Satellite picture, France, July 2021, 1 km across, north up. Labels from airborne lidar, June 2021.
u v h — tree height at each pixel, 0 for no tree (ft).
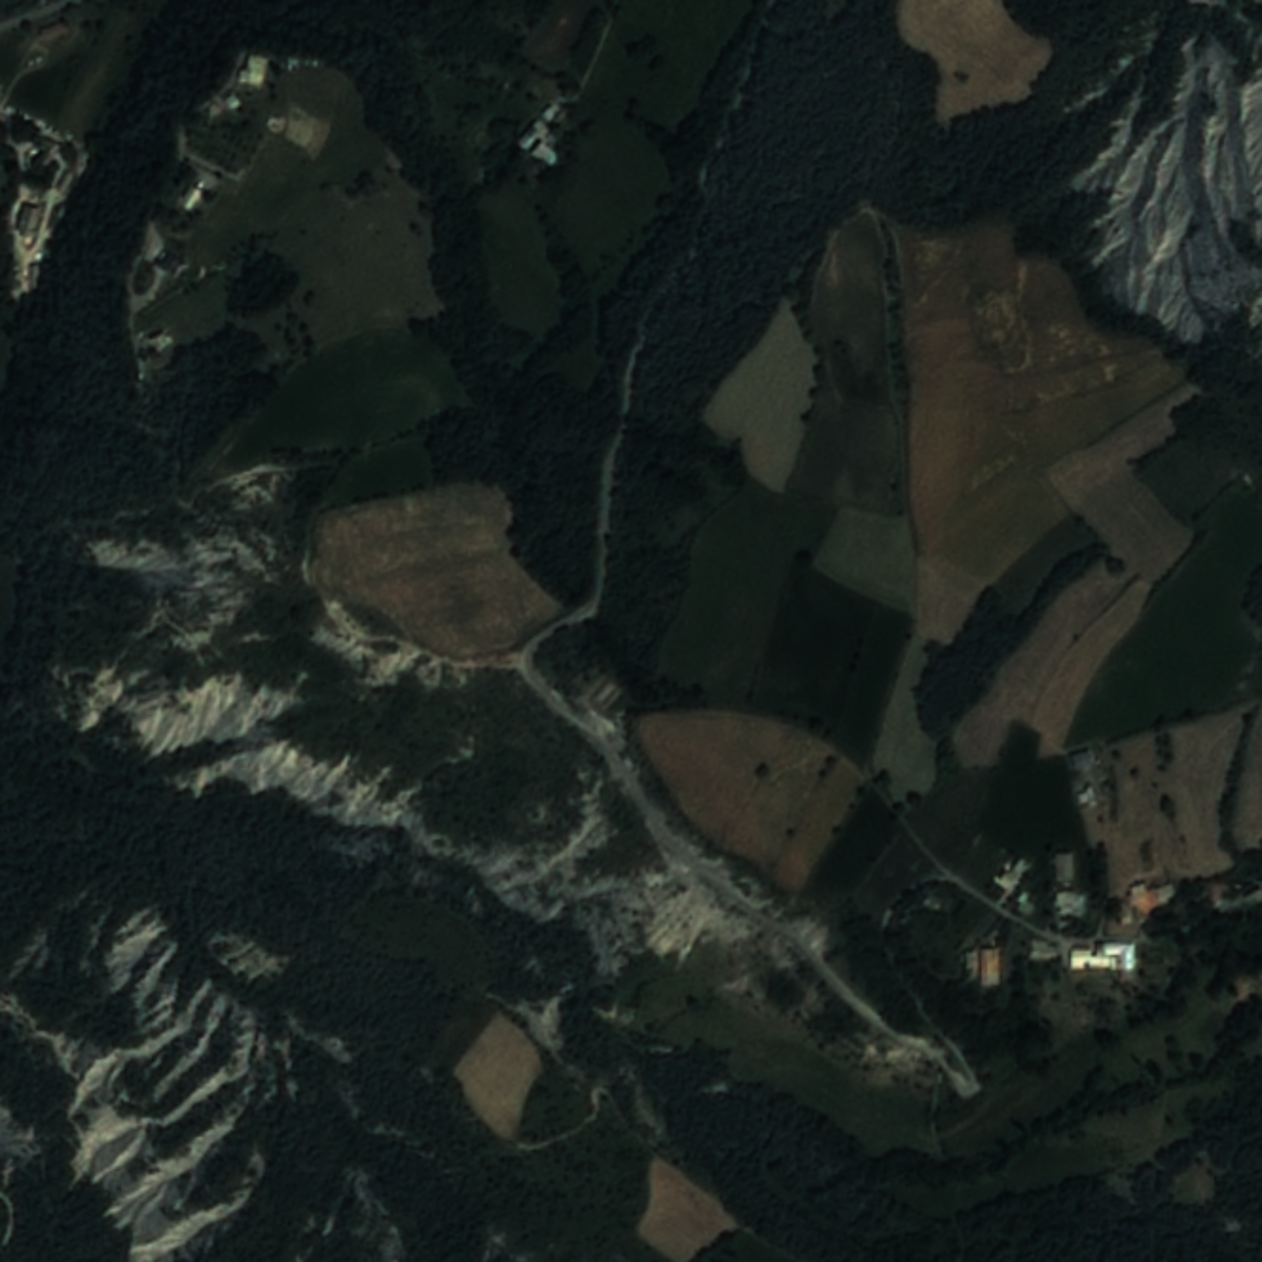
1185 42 19
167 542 23
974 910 0
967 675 42
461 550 0
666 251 51
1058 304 0
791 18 33
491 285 28
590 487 37
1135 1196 24
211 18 77
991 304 0
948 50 0
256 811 37
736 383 0
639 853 0
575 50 24
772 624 0
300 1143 30
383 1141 23
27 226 0
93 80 0
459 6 29
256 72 0
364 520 0
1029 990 39
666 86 0
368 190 35
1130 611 0
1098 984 0
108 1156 0
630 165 0
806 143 26
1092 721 0
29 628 35
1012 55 0
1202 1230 37
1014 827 0
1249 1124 28
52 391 55
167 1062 23
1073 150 34
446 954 0
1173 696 0
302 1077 33
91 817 35
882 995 27
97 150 31
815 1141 47
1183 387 0
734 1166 31
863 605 0
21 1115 32
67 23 29
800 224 33
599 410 51
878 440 0
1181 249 0
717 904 0
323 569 0
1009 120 43
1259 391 18
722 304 37
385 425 0
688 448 39
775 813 0
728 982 0
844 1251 44
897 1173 50
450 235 52
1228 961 64
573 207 0
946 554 0
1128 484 0
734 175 33
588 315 52
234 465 0
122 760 31
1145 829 0
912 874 0
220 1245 23
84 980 22
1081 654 0
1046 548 0
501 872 0
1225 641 0
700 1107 32
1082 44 41
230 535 0
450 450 21
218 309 0
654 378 25
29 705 33
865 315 0
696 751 0
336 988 26
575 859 0
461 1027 0
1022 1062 40
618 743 0
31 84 0
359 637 0
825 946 0
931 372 0
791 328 0
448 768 20
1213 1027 0
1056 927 26
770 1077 0
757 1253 0
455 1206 26
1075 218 32
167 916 44
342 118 0
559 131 38
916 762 0
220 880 33
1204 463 0
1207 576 0
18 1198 26
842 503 0
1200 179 0
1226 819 21
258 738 0
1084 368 0
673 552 18
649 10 0
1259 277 0
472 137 0
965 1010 23
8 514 75
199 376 35
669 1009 0
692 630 0
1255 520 0
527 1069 0
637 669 39
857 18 48
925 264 0
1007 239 0
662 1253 0
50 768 50
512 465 62
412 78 26
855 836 0
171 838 51
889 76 32
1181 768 0
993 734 0
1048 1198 34
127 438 27
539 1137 19
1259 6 30
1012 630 34
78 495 22
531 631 0
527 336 38
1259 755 0
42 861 28
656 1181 0
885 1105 0
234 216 0
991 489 0
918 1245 35
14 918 26
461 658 0
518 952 23
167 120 35
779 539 0
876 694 0
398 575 0
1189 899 17
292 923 37
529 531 66
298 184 0
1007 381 0
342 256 0
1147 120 24
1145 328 35
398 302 0
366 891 33
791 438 0
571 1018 37
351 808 0
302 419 0
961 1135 0
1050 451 0
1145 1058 0
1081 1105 41
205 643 0
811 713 0
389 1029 28
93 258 38
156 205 24
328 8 77
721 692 0
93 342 54
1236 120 0
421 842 0
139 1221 0
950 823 0
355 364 0
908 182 47
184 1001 36
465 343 23
